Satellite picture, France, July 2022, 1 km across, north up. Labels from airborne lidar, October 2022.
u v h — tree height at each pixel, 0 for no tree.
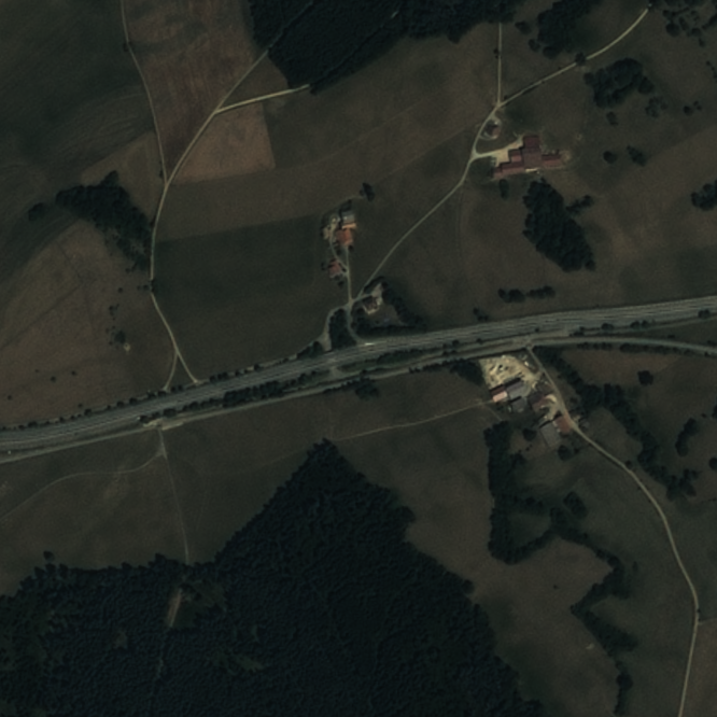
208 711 27
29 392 0
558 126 0
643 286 0
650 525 0
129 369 0
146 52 0
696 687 0
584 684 0
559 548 0
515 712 15
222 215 0
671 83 0
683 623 0
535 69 0
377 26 11
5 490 0
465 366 19
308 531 8
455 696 6
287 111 0
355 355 0
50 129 0
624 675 11
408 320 18
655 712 0
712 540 0
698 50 0
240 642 18
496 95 0
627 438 0
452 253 0
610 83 19
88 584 20
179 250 0
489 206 0
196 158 0
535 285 0
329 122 0
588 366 0
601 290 0
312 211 0
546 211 20
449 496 0
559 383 0
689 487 16
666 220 0
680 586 0
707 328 0
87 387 0
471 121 0
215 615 24
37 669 14
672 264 0
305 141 0
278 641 24
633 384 0
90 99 0
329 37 15
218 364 0
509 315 0
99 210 17
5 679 11
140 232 15
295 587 19
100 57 0
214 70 0
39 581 9
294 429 0
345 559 15
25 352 0
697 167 0
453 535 0
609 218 0
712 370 0
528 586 0
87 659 30
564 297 0
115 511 0
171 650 28
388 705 21
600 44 0
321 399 0
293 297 0
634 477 0
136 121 0
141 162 0
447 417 0
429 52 0
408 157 0
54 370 0
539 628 0
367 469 0
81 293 0
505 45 0
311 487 10
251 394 12
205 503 0
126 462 0
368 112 0
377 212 0
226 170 0
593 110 0
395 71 0
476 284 0
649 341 0
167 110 0
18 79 0
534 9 0
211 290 0
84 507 0
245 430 0
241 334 0
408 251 0
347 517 17
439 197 0
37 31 0
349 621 16
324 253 0
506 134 0
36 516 0
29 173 0
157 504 0
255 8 13
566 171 0
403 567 13
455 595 14
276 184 0
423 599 12
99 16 0
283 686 21
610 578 10
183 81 0
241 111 0
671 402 0
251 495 0
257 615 22
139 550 0
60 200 11
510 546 12
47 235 0
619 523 0
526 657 0
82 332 0
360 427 0
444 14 25
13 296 0
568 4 23
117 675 21
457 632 18
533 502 16
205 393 0
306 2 12
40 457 0
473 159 0
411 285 0
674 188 0
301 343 0
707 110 0
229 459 0
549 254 18
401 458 0
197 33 0
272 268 0
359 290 0
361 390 13
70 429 0
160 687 30
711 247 0
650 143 0
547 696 0
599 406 12
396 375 0
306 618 24
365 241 0
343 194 0
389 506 21
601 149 0
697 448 0
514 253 0
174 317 0
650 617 0
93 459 0
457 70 0
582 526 0
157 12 0
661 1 21
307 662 21
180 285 0
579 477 0
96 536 0
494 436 20
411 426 0
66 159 0
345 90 0
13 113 0
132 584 27
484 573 0
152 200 0
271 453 0
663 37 0
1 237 0
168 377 0
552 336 0
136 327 0
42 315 0
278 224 0
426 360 0
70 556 0
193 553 0
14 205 0
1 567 0
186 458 0
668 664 0
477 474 0
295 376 0
